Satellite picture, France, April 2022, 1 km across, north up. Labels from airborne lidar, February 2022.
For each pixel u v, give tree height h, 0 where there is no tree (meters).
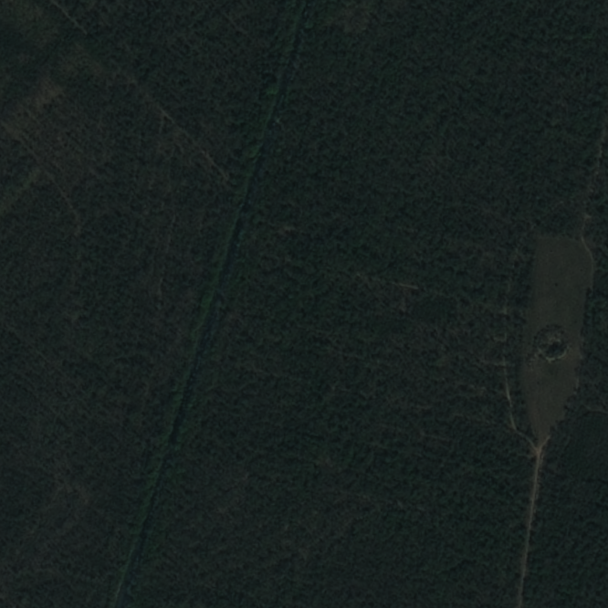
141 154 7
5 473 13
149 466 14
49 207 7
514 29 15
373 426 17
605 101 15
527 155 17
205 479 15
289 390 16
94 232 11
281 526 15
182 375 20
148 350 13
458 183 17
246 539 14
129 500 12
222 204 17
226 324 21
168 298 18
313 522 15
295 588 13
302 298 20
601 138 20
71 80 7
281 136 14
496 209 16
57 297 13
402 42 16
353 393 15
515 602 16
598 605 17
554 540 9
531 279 12
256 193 17
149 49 17
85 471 11
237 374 16
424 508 17
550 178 16
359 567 15
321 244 20
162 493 14
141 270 15
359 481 18
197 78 15
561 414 0
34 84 12
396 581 13
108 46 17
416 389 17
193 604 13
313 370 13
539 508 15
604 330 18
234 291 18
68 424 16
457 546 14
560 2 12
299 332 19
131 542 8
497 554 17
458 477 18
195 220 18
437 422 12
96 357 12
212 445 14
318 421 19
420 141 19
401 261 19
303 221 17
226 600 17
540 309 0
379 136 17
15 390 14
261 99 16
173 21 18
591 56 14
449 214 17
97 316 11
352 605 16
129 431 14
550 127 19
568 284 0
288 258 16
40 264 11
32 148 11
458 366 18
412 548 17
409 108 17
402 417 18
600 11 17
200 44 15
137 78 15
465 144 17
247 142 17
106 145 18
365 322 16
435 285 19
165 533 16
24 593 13
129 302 16
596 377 17
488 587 15
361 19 0
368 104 16
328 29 18
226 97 8
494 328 16
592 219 19
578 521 12
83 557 15
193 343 15
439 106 19
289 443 9
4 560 13
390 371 19
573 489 14
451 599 16
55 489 14
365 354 19
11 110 13
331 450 19
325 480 19
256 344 19
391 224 17
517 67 17
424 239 17
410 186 22
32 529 10
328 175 19
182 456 16
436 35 19
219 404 20
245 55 14
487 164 17
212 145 17
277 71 15
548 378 0
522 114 17
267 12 10
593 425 6
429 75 17
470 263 15
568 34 18
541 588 15
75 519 16
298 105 15
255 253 20
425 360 14
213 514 17
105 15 16
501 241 14
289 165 19
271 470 11
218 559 8
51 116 8
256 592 15
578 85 15
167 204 14
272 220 16
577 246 0
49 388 15
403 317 13
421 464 17
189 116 16
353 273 18
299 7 18
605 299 12
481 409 15
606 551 12
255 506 18
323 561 14
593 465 7
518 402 12
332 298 18
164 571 11
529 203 17
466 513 6
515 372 15
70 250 12
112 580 13
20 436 14
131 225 17
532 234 14
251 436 19
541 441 0
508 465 16
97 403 16
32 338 11
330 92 17
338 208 13
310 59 16
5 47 6
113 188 8
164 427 19
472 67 19
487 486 15
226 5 14
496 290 19
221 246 13
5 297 11
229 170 13
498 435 15
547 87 17
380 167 20
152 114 15
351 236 21
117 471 11
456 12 14
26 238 6
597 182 18
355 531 13
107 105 15
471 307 18
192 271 17
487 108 16
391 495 15
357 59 16
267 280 19
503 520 16
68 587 15
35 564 8
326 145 18
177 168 14
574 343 0
